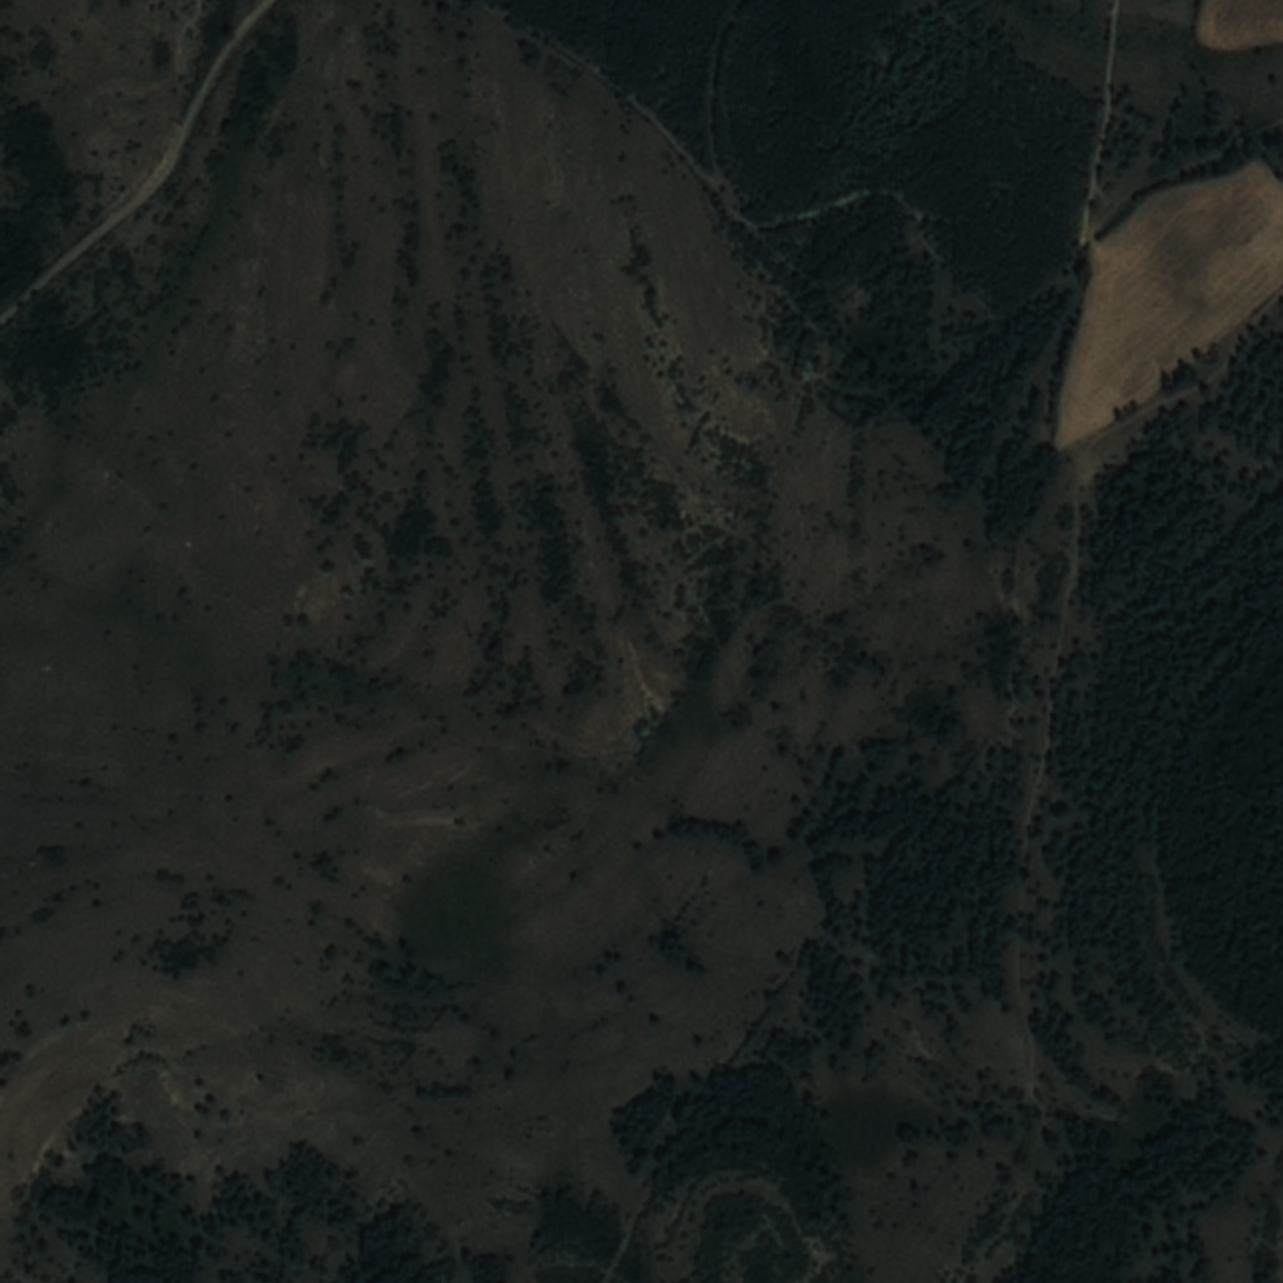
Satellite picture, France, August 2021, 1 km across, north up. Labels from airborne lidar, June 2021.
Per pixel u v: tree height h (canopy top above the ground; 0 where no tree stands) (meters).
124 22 0
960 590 0
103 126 0
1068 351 11
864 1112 0
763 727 0
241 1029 0
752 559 0
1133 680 7
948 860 16
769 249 7
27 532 0
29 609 0
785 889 0
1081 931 9
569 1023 0
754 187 7
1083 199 6
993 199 8
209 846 0
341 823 0
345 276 0
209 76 0
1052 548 0
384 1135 0
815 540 0
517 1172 0
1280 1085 12
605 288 0
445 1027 0
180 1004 0
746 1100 13
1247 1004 12
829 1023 10
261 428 0
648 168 0
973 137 11
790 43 11
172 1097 0
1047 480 11
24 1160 0
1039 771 0
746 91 8
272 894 0
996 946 11
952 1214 0
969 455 13
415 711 0
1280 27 0
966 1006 10
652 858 0
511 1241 0
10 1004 0
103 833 0
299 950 0
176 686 0
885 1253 0
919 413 8
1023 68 7
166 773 0
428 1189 0
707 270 0
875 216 11
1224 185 0
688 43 9
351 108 0
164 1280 8
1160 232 0
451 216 0
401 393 0
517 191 0
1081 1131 11
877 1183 0
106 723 0
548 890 0
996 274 10
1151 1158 9
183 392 0
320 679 0
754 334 0
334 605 0
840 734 0
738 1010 0
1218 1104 11
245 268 0
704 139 8
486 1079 0
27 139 6
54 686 0
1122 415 10
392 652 0
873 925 9
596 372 0
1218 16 0
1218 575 11
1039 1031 12
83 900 0
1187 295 0
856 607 0
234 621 0
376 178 0
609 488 7
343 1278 6
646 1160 11
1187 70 0
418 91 0
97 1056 0
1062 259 10
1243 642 10
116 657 0
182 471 0
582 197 0
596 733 0
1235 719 7
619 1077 0
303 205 0
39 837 0
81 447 0
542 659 0
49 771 0
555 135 0
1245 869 9
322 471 0
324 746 0
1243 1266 0
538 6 12
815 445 0
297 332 0
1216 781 8
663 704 0
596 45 8
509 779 0
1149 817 8
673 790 0
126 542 0
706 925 0
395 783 0
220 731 0
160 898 0
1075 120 10
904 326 12
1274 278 0
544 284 0
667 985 0
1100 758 10
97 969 0
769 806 0
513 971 0
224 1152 0
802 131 10
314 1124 0
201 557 0
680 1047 0
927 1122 0
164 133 0
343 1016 0
